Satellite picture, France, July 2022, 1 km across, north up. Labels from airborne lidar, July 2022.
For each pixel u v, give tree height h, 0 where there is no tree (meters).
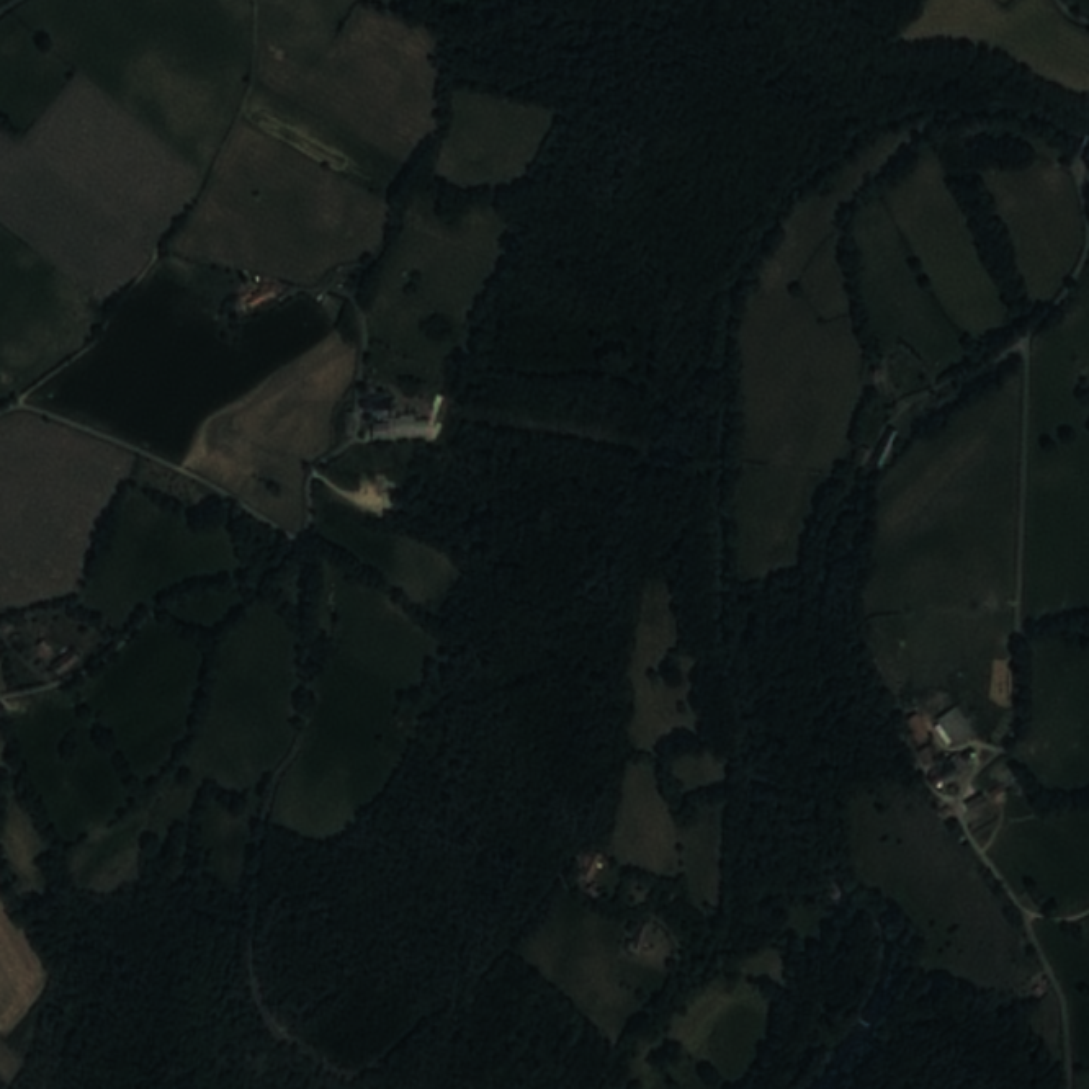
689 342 25
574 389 20
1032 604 0
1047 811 21
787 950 11
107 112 0
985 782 0
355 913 11
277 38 0
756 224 25
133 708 0
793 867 25
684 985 15
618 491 25
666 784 20
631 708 21
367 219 0
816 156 19
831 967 20
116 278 0
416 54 0
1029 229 0
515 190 18
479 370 10
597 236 20
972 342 16
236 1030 9
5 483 0
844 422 0
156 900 20
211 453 0
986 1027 27
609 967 0
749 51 26
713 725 21
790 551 0
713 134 22
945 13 0
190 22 0
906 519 0
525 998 9
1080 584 0
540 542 22
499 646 18
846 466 13
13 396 9
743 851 18
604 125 15
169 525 0
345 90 0
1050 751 0
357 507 0
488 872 19
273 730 0
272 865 14
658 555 17
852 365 0
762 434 0
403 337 0
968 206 14
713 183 23
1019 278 15
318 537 15
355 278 12
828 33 14
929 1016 17
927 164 0
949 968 0
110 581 0
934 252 0
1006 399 0
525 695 21
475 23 15
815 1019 10
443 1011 20
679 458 28
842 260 14
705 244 24
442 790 8
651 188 22
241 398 0
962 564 0
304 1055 10
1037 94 20
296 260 0
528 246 21
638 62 19
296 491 0
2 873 8
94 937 18
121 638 7
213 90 0
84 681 14
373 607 0
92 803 0
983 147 20
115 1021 25
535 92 14
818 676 19
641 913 9
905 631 0
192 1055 13
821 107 25
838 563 24
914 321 0
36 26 0
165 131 0
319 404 0
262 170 0
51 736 0
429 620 14
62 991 9
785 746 23
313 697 13
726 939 19
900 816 0
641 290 27
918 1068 20
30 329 0
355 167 0
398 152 0
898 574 0
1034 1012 13
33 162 0
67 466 0
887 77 27
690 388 24
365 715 0
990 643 0
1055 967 0
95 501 0
